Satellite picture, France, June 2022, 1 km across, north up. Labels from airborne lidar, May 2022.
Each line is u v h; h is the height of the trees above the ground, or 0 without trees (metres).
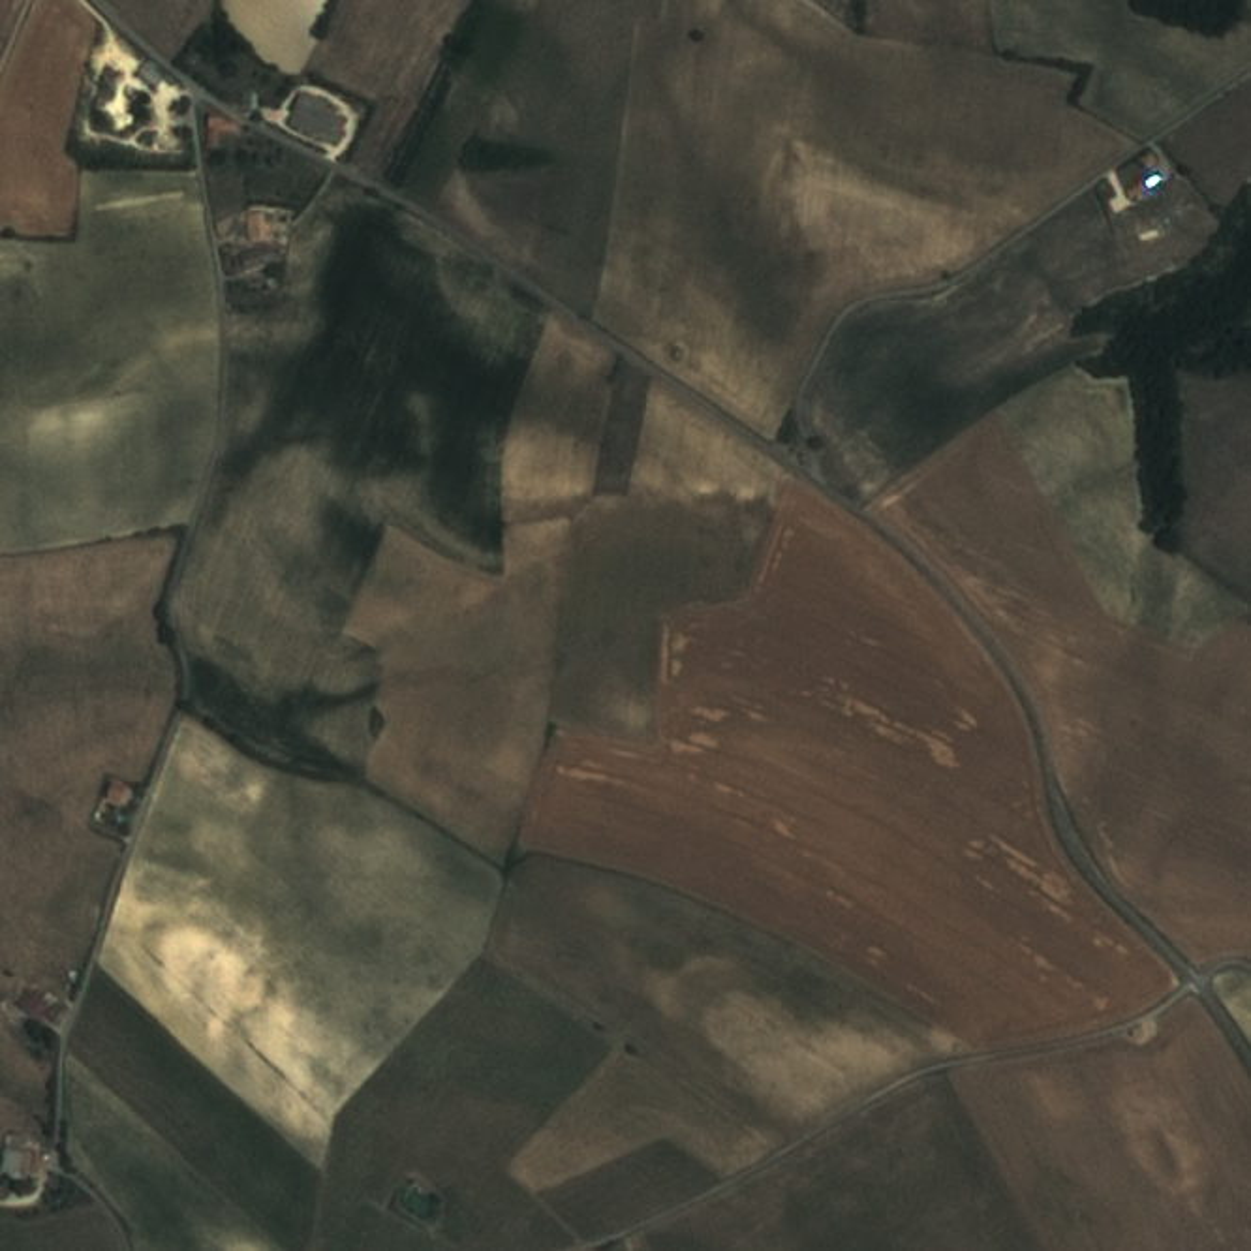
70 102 0
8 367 0
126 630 0
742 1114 0
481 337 0
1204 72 0
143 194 0
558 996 0
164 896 0
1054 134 0
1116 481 0
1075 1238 0
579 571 0
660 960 0
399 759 0
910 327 0
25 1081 0
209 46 10
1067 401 0
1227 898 0
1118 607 0
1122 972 0
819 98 0
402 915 0
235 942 0
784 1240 0
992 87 0
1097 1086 0
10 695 0
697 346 0
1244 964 0
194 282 0
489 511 0
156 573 0
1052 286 0
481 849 0
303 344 0
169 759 0
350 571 0
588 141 0
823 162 0
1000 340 0
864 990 0
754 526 0
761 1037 0
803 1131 0
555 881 0
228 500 0
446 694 0
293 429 0
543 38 0
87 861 0
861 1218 0
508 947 0
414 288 0
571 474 0
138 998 0
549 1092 0
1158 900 0
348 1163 0
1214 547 0
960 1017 0
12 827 0
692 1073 0
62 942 0
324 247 0
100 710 0
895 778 0
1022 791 0
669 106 0
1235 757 0
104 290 0
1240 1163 0
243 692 0
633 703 0
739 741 0
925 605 0
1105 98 0
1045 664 0
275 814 0
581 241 0
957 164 0
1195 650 0
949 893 0
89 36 0
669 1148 0
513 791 0
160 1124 0
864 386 0
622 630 0
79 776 0
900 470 0
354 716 0
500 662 0
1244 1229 0
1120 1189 0
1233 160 0
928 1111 0
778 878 0
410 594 0
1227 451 0
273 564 0
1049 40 0
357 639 0
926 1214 0
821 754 0
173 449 0
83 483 0
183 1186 0
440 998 0
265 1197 0
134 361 0
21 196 0
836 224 0
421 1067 0
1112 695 0
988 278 0
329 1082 0
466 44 7
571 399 0
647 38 0
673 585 0
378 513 0
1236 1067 0
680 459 0
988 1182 0
